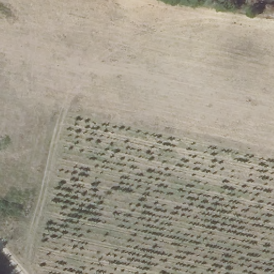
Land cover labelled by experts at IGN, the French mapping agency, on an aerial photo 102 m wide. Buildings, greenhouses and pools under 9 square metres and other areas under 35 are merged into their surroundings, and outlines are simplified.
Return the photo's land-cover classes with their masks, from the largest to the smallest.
<instances>
[{"label":"agricultural land","instance_id":"1","mask_svg":"<svg viewBox=\"0 0 274 274\"><path fill-rule=\"evenodd\" d=\"M77 94L83 95L79 101L82 109L103 112L105 115L112 113L116 116L120 110L133 111L138 120H143L147 116L164 118L173 122V127L179 130L235 140L248 144L249 147L274 150V20L260 18L258 15L252 18L237 13L217 12L208 7L170 5L158 0H0V250L11 240L24 237L29 229L59 108H63L67 113L70 103Z\"/></svg>","mask_w":274,"mask_h":274},{"label":"vineyard","instance_id":"2","mask_svg":"<svg viewBox=\"0 0 274 274\"><path fill-rule=\"evenodd\" d=\"M83 95L77 94L70 103L67 113L63 108H59L29 229L24 237L11 240L0 250V274H274V150L249 147L248 144L235 140L179 130L173 127V122L164 118L147 116L143 120H138L133 111L120 110L116 116L112 113L105 115L103 112L82 109L79 101Z\"/></svg>","mask_w":274,"mask_h":274},{"label":"coniferous trees","instance_id":"3","mask_svg":"<svg viewBox=\"0 0 274 274\"><path fill-rule=\"evenodd\" d=\"M170 5L208 7L217 12L237 13L252 18L258 15L260 18L274 20V0H158Z\"/></svg>","mask_w":274,"mask_h":274}]
</instances>
